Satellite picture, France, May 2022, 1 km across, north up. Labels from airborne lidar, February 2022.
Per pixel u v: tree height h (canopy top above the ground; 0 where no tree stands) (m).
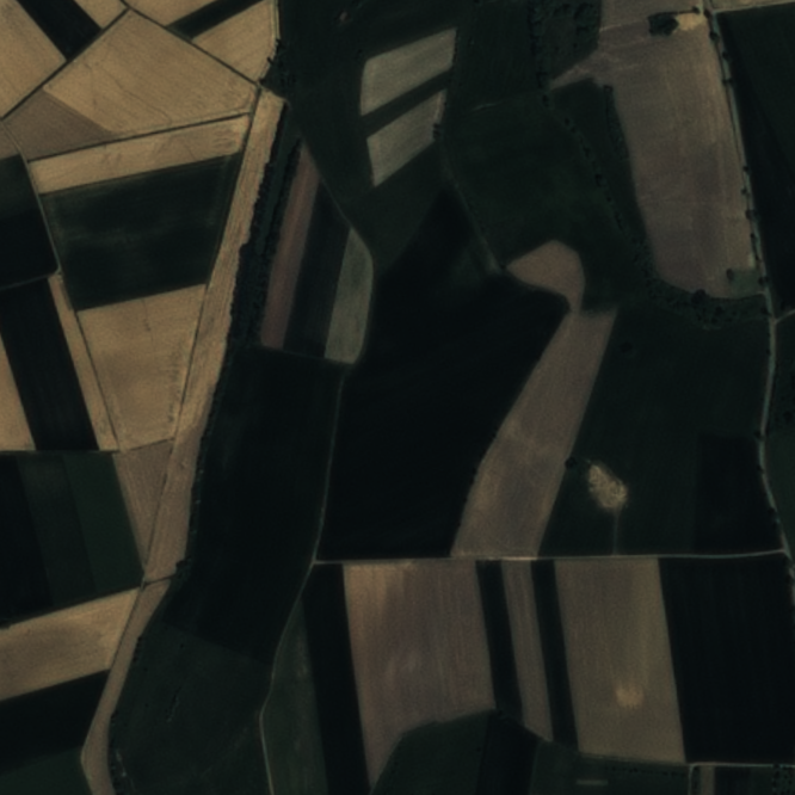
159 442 0
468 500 0
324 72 0
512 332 0
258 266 17
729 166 0
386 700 0
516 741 0
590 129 0
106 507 0
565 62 0
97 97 0
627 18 0
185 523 0
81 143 0
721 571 0
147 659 0
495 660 0
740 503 0
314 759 0
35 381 0
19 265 0
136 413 0
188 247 0
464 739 0
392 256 0
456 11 0
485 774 0
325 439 0
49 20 0
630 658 0
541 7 12
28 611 0
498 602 0
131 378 0
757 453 0
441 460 0
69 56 0
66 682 0
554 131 0
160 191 0
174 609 0
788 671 0
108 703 0
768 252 0
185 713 0
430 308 0
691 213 0
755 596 0
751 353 0
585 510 0
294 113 0
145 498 0
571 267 0
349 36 0
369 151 0
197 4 0
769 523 0
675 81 0
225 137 0
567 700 0
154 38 0
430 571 0
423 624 0
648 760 0
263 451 0
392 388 0
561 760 0
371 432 0
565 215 0
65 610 0
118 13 0
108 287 0
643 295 0
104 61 0
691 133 0
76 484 0
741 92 0
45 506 0
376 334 0
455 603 0
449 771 0
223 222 0
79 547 0
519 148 0
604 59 0
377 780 0
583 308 0
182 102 0
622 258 0
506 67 0
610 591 0
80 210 0
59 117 0
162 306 0
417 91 0
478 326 0
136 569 0
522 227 0
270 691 0
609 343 0
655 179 0
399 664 0
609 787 0
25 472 0
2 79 0
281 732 0
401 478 0
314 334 0
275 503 0
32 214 0
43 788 0
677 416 0
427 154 0
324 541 0
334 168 0
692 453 0
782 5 0
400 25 0
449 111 0
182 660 0
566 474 0
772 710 0
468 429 0
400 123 0
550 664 0
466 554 0
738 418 0
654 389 0
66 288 0
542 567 0
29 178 0
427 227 0
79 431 0
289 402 0
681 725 0
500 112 0
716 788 0
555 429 0
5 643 0
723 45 0
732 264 0
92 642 0
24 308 0
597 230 0
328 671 0
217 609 0
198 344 0
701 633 0
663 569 0
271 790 0
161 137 0
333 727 0
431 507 0
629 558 0
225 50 0
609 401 0
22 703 0
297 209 0
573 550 0
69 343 0
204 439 6
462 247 0
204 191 0
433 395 0
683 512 0
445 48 0
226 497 0
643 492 0
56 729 0
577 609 0
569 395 0
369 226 0
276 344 0
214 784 0
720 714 0
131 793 0
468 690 0
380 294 0
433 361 0
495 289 0
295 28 0
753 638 0
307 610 0
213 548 0
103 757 0
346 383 0
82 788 0
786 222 0
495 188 0
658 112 0
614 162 0
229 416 0
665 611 0
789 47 0
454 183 0
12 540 0
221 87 0
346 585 0
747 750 0
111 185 0
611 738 0
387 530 0
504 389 0
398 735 0
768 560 0
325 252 0
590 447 0
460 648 0
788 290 0
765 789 0
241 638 0
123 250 0
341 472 0
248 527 0
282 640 0
